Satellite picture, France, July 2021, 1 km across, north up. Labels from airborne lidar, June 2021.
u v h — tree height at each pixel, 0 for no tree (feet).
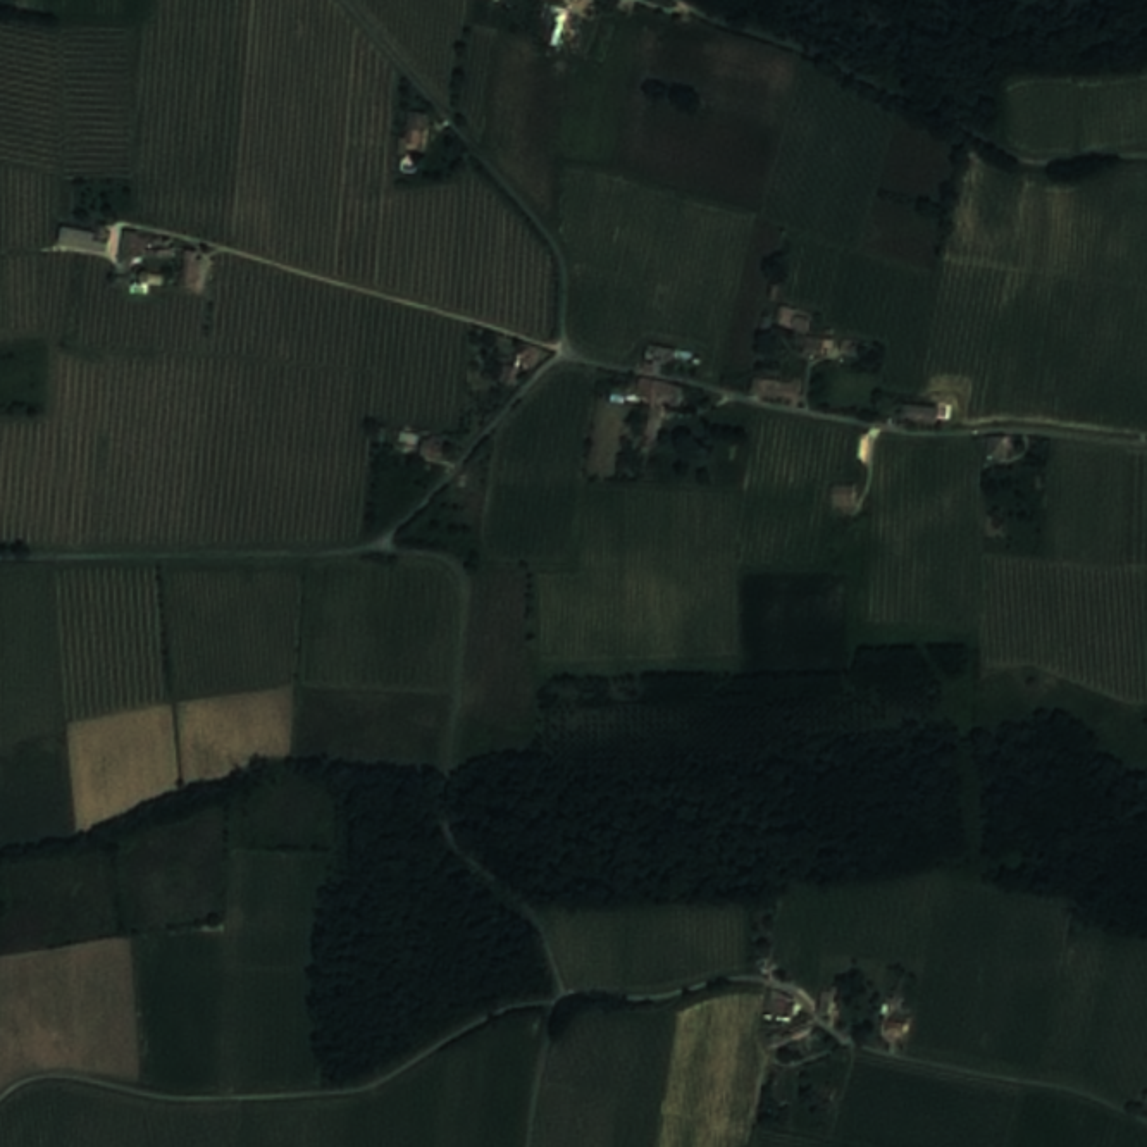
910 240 0
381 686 0
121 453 0
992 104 66
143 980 0
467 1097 0
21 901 0
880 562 0
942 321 0
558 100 0
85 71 0
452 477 0
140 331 0
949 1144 0
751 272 0
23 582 0
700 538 0
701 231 0
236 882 0
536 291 0
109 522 0
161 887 0
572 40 0
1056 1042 0
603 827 62
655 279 0
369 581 0
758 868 82
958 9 79
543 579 0
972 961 0
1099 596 0
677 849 80
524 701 0
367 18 0
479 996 54
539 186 0
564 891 71
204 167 0
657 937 0
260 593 0
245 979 0
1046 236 0
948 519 0
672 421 0
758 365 20
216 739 0
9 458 0
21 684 0
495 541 0
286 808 0
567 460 0
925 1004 0
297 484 0
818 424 0
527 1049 0
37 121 0
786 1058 33
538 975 54
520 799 87
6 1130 0
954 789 70
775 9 86
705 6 46
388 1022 75
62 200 0
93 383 0
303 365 0
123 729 0
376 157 0
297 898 0
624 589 0
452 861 57
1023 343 0
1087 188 0
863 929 0
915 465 0
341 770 63
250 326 0
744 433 35
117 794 0
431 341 0
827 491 0
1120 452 0
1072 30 94
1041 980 0
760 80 0
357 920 61
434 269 0
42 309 0
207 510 0
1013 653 0
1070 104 0
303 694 0
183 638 0
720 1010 0
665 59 0
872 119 0
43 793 0
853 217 0
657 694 26
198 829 0
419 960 55
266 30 0
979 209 0
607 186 0
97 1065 0
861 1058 0
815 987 0
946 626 0
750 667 0
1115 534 0
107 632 0
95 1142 0
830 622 0
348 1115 0
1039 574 0
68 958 0
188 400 0
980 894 0
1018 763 42
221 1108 0
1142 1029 0
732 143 0
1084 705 0
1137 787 66
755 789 45
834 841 64
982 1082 0
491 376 28
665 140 0
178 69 0
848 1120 0
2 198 0
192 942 0
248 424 0
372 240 0
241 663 0
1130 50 77
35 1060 0
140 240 0
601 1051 0
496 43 0
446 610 0
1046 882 61
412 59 0
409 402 0
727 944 0
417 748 0
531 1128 0
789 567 0
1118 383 0
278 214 0
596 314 0
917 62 74
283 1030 0
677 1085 0
